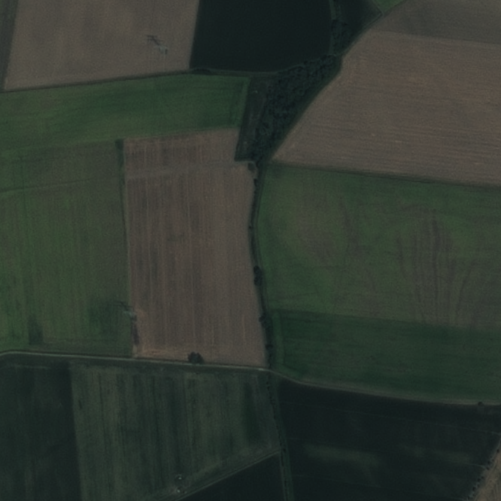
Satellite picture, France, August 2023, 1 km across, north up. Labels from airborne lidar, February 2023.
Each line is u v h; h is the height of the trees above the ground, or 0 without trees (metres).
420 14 0
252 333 0
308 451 0
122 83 0
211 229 0
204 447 0
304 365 0
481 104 0
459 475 0
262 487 0
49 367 0
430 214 0
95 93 0
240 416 0
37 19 0
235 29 0
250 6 0
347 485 0
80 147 0
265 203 0
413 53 0
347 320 0
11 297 0
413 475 0
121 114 0
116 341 0
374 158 0
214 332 0
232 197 0
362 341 0
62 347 0
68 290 0
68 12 0
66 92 0
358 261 0
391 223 0
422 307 0
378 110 0
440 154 0
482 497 0
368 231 0
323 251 0
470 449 0
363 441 0
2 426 0
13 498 0
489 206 0
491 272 0
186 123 0
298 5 0
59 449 0
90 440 0
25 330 0
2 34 0
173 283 0
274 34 0
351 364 0
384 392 0
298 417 0
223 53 0
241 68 0
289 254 0
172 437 0
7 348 0
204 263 0
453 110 0
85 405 0
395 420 0
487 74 0
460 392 0
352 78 0
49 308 0
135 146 0
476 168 0
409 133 0
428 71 0
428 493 0
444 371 0
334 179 0
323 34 0
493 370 0
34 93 0
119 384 0
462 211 0
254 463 0
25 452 0
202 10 0
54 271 0
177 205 0
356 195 0
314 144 0
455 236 0
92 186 0
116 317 0
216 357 0
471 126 0
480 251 0
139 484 0
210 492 0
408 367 0
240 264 0
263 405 0
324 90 0
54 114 0
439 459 0
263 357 0
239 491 0
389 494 0
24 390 0
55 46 0
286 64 0
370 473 0
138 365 0
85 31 0
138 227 0
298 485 0
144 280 0
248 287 0
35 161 0
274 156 0
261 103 0
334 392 0
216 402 0
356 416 0
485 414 0
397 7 0
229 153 0
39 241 0
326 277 0
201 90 0
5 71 0
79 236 0
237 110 0
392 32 0
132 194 0
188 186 0
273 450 0
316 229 0
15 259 0
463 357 0
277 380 0
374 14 0
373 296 0
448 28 0
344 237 0
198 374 0
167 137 0
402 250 0
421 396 0
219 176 0
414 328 0
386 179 0
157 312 0
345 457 0
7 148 0
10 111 0
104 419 0
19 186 0
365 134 0
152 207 0
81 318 0
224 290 0
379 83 0
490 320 0
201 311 0
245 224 0
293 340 0
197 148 0
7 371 0
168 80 0
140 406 0
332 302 0
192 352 0
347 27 16
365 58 0
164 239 0
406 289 0
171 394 0
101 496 0
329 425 0
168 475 0
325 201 0
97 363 0
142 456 0
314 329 0
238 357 0
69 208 0
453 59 0
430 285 0
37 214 0
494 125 0
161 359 0
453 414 0
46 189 0
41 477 0
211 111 0
